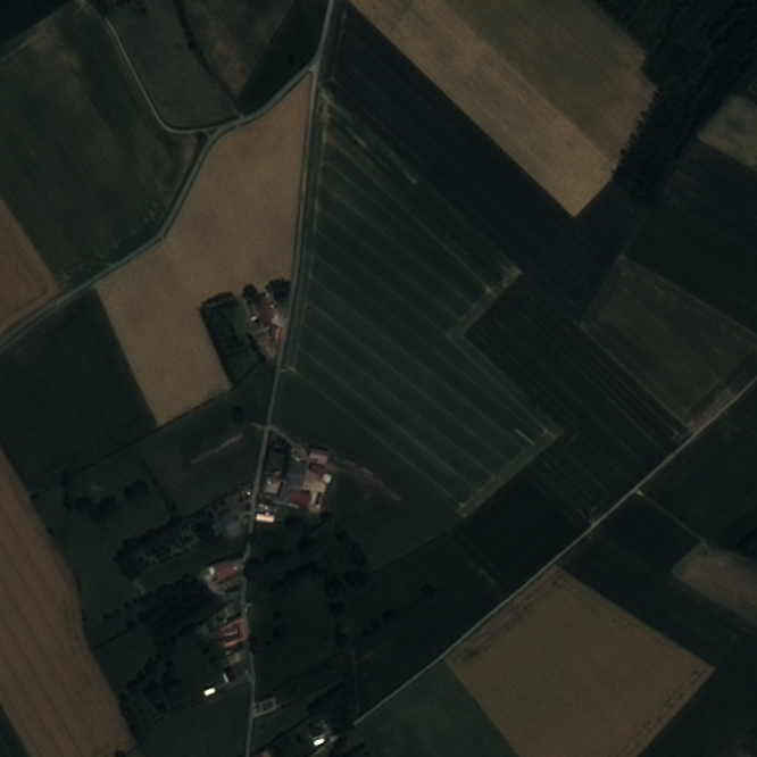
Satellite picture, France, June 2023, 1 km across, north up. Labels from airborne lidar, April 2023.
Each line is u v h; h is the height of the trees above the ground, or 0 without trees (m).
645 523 0
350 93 0
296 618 0
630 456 0
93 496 0
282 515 0
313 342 0
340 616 22
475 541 0
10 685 0
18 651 0
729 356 0
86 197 0
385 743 0
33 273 0
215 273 0
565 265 0
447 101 0
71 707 0
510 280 0
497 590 0
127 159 0
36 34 0
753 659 0
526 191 0
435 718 0
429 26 0
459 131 0
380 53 0
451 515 0
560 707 0
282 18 0
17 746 0
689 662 0
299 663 0
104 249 0
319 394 0
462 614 0
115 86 0
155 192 0
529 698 0
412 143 0
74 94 0
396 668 0
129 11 0
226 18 0
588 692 0
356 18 0
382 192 0
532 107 0
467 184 0
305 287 0
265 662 0
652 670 0
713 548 0
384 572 0
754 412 0
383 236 0
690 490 0
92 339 0
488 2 0
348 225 0
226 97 0
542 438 0
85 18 0
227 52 0
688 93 7
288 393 0
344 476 0
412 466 0
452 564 0
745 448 0
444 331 0
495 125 0
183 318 0
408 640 0
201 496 0
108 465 0
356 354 0
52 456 0
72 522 0
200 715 0
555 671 0
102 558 0
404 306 0
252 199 0
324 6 0
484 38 0
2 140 0
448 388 0
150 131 0
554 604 0
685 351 0
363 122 0
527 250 0
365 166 0
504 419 0
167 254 0
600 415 0
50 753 0
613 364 0
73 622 0
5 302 0
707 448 0
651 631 0
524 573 0
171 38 0
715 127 0
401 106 0
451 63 0
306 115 0
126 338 0
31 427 0
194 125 0
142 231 0
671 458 0
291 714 0
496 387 0
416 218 0
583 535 0
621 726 0
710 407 0
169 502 7
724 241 0
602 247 0
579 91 0
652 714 0
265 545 0
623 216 0
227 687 0
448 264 0
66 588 0
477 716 0
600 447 0
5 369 0
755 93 0
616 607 0
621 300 0
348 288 0
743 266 0
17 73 0
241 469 0
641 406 0
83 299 0
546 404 0
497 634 0
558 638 0
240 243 0
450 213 0
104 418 0
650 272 0
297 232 0
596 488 0
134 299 0
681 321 0
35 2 0
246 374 0
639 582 0
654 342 0
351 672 0
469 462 0
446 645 0
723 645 0
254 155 0
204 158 0
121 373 0
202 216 0
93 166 0
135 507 0
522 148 0
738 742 0
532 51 0
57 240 0
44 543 0
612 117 0
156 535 16
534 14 0
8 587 0
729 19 14
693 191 0
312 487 0
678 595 0
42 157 0
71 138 0
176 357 0
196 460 0
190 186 0
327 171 0
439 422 0
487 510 0
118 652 0
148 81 0
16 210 0
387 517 0
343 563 0
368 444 0
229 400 0
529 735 0
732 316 0
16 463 0
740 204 0
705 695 0
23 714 0
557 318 0
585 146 0
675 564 0
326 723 0
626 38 0
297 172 0
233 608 0
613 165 0
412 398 0
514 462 0
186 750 0
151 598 8
